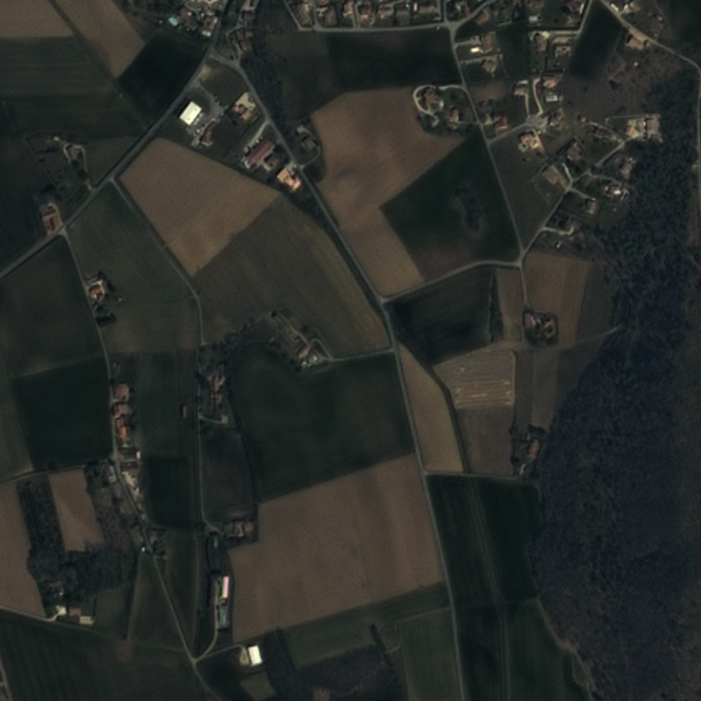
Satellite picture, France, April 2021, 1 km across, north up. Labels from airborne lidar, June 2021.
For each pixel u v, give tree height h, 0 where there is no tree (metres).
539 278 0
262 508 0
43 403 0
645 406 10
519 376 0
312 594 0
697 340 11
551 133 0
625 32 10
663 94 14
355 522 0
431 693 0
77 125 0
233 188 0
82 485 0
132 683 0
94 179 0
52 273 0
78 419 0
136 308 0
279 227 0
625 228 7
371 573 0
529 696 0
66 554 10
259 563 0
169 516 0
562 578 11
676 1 0
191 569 0
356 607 0
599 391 14
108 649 0
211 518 0
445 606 0
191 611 0
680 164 10
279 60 0
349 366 0
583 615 12
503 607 0
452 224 0
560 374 0
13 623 0
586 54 0
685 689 8
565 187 0
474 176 0
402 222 0
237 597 0
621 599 12
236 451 0
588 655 8
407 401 0
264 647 8
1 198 0
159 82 0
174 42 0
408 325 0
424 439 0
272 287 0
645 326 9
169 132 0
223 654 0
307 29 0
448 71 0
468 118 0
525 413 0
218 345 9
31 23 0
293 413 0
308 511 0
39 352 0
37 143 0
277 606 0
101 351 0
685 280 12
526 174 0
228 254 0
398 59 0
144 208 0
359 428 0
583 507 8
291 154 0
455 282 0
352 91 0
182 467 0
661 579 14
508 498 0
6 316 0
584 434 12
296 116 0
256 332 0
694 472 13
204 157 0
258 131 0
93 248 0
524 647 0
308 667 8
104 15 0
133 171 0
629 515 11
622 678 13
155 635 0
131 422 6
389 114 0
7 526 0
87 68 0
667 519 12
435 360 0
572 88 0
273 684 11
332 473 0
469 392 0
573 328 0
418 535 0
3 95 0
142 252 0
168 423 0
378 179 0
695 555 14
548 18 0
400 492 0
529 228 0
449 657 0
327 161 0
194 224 0
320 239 0
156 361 0
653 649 13
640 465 9
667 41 7
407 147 0
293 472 0
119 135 0
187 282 0
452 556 0
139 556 14
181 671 0
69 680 0
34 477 0
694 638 16
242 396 0
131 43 0
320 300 0
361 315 0
